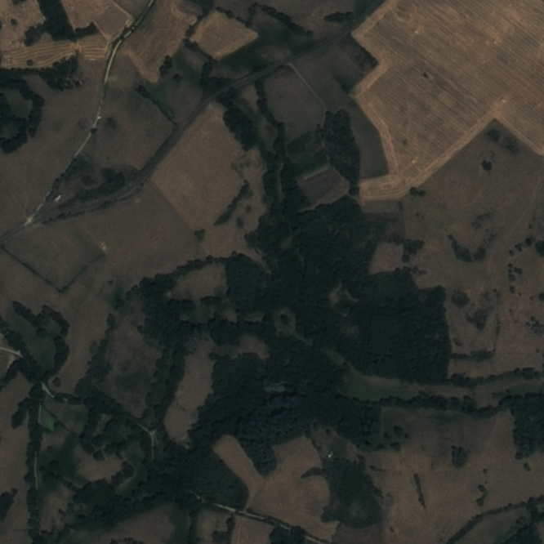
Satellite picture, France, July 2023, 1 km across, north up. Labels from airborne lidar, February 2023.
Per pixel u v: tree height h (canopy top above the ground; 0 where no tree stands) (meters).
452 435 0
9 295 0
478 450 0
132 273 0
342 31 0
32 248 0
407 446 0
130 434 0
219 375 14
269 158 8
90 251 0
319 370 9
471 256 0
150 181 0
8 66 0
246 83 0
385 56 0
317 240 14
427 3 0
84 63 0
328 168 0
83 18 0
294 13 0
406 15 0
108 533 0
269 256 6
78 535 0
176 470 31
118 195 0
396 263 0
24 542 0
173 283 20
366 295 11
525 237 0
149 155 0
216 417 12
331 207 12
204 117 0
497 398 0
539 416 14
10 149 17
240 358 11
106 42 0
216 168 0
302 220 17
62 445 0
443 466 0
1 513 19
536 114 0
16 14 0
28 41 7
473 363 0
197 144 0
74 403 15
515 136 0
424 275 0
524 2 0
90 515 7
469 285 0
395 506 0
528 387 0
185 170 0
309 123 0
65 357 18
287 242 0
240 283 24
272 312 14
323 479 0
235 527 11
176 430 0
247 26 9
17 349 10
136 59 0
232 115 12
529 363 0
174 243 0
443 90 0
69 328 10
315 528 0
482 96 0
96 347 0
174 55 0
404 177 0
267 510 0
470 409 7
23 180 0
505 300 0
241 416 10
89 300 0
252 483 0
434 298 9
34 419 14
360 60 0
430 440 0
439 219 0
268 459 14
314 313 15
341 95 0
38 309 0
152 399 15
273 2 0
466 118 0
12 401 0
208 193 0
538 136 0
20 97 0
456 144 0
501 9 0
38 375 21
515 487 0
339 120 7
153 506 16
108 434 21
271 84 0
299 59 0
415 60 0
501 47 0
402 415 0
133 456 0
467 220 0
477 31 0
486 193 0
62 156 0
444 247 0
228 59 0
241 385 16
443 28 0
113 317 13
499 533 0
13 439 0
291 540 14
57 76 13
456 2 0
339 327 8
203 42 0
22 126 17
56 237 0
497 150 0
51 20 11
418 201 0
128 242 0
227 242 0
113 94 0
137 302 0
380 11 0
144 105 0
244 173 0
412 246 8
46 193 0
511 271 11
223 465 6
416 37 0
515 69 0
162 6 0
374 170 0
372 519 12
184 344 17
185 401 0
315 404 23
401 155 0
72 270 0
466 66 0
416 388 0
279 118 0
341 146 8
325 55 0
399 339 13
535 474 0
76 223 0
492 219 0
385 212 0
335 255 13
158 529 0
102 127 0
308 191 0
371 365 23
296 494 0
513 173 0
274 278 8
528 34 0
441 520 0
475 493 0
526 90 0
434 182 0
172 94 0
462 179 0
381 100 0
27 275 0
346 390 0
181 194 0
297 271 21
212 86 0
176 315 15
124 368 0
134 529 0
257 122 0
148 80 0
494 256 0
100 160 0
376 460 0
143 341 0
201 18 10
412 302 8
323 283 15
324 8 0
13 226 0
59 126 0
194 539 11
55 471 13
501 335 0
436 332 15
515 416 19
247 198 0
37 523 12
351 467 7
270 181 13
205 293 0
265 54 0
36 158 0
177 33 0
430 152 0
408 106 0
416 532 0
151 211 0
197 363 0
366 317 17
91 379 9
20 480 0
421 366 16
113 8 0
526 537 9
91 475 0
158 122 0
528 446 12
